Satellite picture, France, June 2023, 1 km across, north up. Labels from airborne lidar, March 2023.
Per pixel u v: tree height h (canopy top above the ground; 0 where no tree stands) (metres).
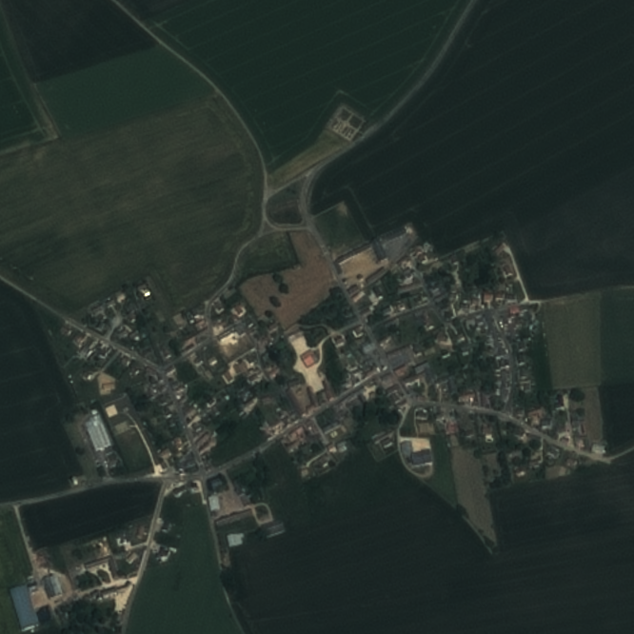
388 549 0
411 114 0
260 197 0
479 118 0
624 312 0
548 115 0
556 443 0
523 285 0
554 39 0
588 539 0
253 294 0
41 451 0
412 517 0
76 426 0
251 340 0
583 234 0
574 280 0
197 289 0
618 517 0
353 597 0
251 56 0
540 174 0
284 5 0
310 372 0
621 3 0
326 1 0
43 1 0
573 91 0
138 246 0
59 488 0
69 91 0
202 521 0
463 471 0
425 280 9
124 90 0
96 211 0
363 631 0
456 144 0
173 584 0
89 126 0
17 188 0
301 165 0
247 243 0
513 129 0
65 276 0
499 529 0
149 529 0
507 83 0
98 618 20
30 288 0
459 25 0
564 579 0
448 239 0
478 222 0
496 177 0
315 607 0
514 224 0
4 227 0
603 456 0
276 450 0
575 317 0
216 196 0
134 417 0
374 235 0
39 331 0
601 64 0
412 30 0
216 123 0
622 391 0
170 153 0
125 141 0
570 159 0
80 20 0
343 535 0
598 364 0
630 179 0
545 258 0
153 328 7
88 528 0
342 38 0
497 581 0
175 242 0
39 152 0
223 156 0
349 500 0
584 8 0
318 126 0
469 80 0
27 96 0
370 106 0
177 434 7
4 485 0
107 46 0
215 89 0
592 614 0
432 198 0
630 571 0
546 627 0
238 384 7
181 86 0
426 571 0
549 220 0
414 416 0
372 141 0
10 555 0
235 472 0
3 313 0
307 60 0
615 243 0
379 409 6
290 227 0
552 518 0
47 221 0
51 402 0
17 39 0
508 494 0
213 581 0
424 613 0
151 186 0
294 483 0
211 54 0
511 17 0
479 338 5
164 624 0
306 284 0
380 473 0
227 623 0
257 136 0
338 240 0
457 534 0
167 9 0
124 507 0
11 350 0
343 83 0
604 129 0
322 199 0
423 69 0
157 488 0
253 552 0
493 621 0
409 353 0
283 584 0
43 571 0
